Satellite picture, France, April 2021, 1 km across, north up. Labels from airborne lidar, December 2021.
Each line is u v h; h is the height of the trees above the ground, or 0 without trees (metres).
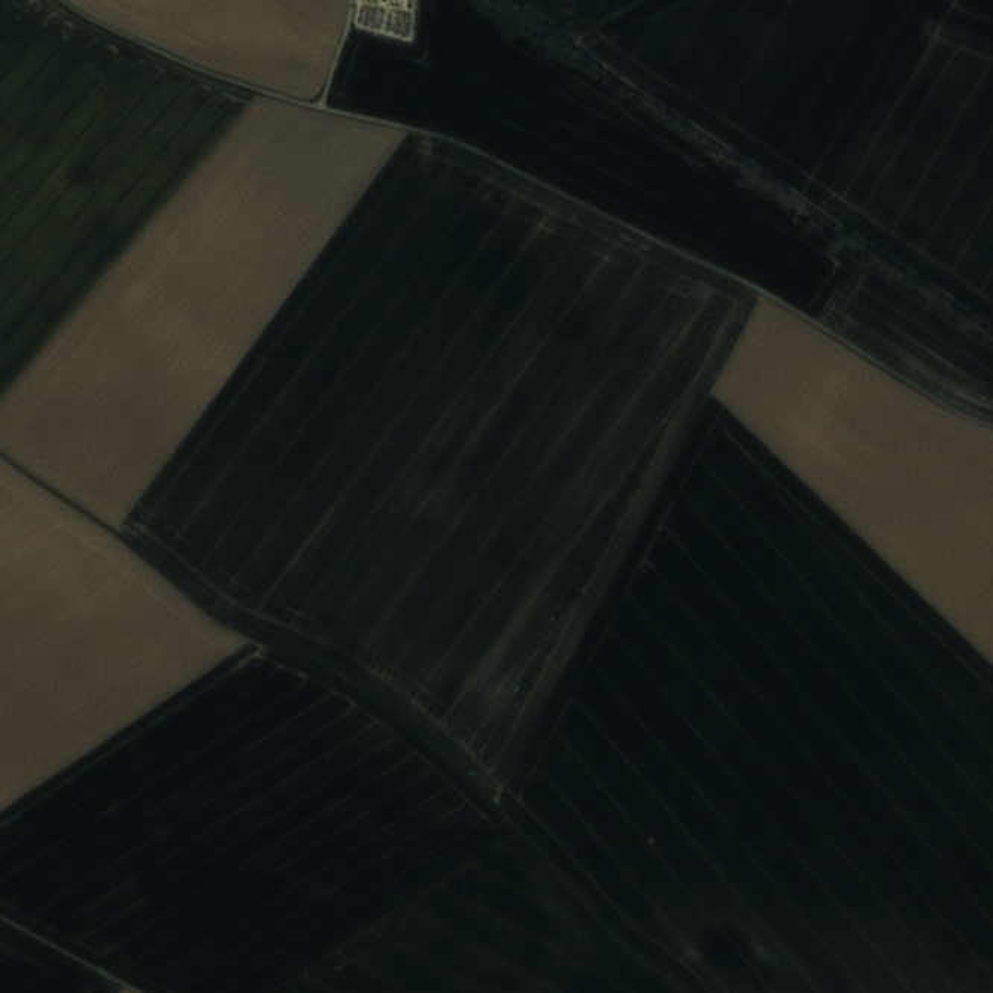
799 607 0
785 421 0
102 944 0
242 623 0
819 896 0
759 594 0
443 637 0
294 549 0
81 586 0
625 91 21
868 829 0
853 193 0
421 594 0
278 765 0
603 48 0
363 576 0
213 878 0
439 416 0
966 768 0
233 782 0
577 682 0
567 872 0
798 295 0
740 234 0
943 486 0
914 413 0
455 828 0
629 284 0
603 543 0
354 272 0
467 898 0
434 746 0
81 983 0
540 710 0
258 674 0
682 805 0
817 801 0
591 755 0
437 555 0
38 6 0
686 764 0
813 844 0
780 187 22
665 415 0
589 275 0
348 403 0
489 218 0
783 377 0
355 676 0
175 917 0
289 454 0
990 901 0
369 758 0
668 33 0
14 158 0
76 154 0
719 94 0
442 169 0
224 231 0
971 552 0
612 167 0
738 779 0
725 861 0
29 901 0
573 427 0
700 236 0
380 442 0
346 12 0
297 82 0
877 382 0
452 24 0
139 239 0
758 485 0
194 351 0
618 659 0
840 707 0
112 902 0
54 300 0
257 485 0
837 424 0
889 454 0
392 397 0
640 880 0
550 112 0
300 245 0
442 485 0
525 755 0
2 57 0
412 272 0
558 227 0
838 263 0
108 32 0
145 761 0
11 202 0
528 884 0
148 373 0
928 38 0
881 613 0
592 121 0
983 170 0
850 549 0
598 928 0
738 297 0
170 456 0
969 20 0
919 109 0
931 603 0
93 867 0
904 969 0
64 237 0
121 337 0
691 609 0
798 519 0
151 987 0
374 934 0
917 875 0
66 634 0
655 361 0
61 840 0
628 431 0
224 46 0
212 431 0
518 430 0
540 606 0
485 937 0
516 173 0
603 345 0
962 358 0
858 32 0
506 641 0
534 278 0
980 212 0
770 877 0
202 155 0
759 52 0
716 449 0
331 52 0
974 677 0
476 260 0
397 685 0
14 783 0
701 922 0
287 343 0
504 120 0
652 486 0
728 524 0
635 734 0
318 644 0
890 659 0
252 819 0
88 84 0
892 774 0
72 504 0
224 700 0
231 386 0
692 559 0
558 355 0
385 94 0
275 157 0
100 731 0
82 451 0
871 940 0
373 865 0
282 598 0
